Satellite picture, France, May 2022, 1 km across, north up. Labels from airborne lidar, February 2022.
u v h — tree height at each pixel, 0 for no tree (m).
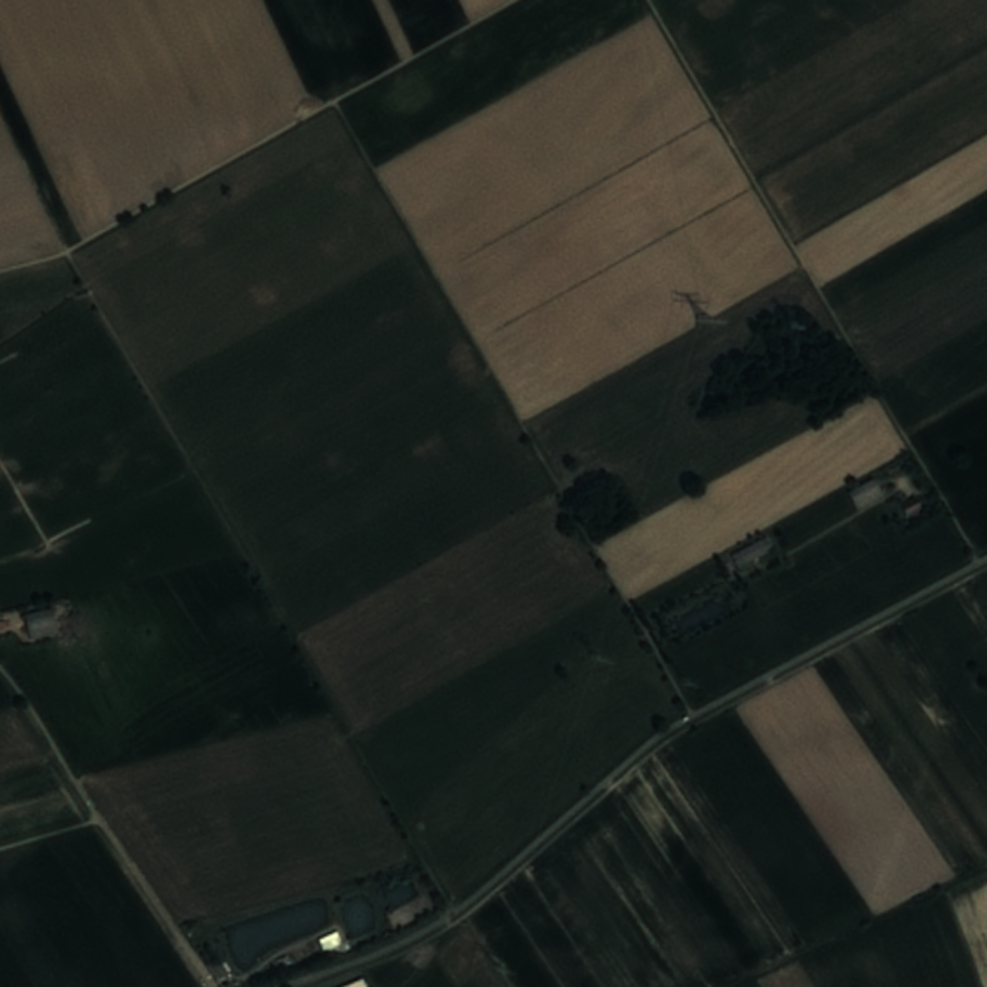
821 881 0
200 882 0
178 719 0
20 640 0
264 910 0
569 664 0
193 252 0
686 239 0
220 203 0
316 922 0
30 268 0
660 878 0
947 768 0
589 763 0
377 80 0
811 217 0
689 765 0
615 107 0
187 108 0
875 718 0
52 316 0
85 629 0
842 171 0
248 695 0
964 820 0
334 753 0
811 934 0
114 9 0
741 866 0
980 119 0
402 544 0
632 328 0
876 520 0
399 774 0
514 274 0
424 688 0
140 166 0
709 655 0
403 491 0
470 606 0
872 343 0
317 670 0
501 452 0
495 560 0
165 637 0
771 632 0
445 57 0
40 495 0
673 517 0
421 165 0
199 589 0
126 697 0
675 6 0
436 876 0
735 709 0
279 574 0
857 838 0
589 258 0
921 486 14
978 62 0
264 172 0
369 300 0
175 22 0
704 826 0
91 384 0
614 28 0
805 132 0
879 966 0
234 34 0
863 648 0
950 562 0
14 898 0
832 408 13
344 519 0
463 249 0
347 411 0
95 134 0
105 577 0
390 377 0
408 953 0
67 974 0
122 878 0
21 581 0
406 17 0
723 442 0
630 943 0
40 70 0
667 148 0
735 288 0
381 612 0
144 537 0
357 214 0
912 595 0
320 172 0
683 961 0
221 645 0
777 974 0
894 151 0
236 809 0
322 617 0
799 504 0
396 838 0
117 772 0
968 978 0
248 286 0
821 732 0
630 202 0
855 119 0
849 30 0
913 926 0
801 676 0
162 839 0
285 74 0
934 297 0
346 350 0
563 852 0
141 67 0
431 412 0
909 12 0
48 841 0
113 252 0
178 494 0
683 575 0
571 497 16
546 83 0
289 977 10
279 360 0
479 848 0
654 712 0
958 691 0
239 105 0
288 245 0
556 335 0
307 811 0
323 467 0
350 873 0
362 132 0
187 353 0
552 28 0
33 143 0
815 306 0
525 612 0
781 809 0
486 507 0
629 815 0
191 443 0
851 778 0
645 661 0
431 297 0
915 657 0
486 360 0
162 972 0
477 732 0
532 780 0
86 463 0
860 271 0
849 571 0
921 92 0
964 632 0
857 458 0
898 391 0
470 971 0
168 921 0
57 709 0
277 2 0
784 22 0
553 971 0
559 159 0
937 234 0
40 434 0
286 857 0
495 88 0
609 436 0
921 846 0
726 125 0
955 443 0
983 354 0
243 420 0
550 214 0
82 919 0
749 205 0
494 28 0
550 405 0
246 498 0
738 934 0
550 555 0
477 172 0
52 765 0
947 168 0
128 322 0
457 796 0
